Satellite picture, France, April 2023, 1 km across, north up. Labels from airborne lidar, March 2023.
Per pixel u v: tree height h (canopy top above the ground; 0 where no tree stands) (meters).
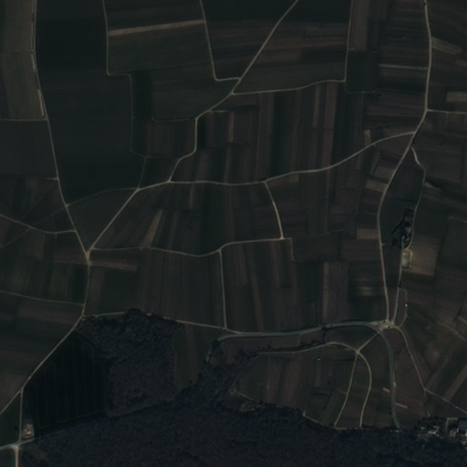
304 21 0
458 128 0
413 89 0
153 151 0
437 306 0
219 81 0
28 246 0
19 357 0
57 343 0
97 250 0
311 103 0
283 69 0
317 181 0
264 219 0
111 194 0
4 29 0
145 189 0
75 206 0
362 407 0
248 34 0
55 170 0
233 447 19
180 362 0
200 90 0
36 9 0
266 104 0
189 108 0
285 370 0
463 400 0
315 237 0
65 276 0
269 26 0
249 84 0
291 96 0
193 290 0
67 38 0
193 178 0
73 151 0
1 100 0
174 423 20
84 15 0
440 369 0
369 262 0
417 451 20
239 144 0
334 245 0
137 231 0
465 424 0
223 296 0
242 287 0
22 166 0
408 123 0
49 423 0
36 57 0
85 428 19
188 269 0
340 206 0
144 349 22
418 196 0
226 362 13
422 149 0
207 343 0
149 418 22
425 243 0
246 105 0
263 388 0
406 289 0
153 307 0
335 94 0
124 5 0
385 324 0
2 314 0
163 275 0
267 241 0
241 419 18
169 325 15
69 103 0
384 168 0
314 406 0
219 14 0
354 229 0
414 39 0
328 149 0
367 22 0
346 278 0
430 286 0
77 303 0
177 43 0
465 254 0
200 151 0
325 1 0
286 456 26
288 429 23
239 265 0
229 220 0
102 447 21
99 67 0
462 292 0
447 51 0
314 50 0
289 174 0
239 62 0
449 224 0
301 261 0
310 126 0
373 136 0
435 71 0
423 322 0
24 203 0
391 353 0
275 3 0
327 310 0
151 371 29
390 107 0
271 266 0
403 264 0
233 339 0
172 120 0
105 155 0
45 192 0
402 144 0
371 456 23
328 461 22
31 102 0
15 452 0
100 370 0
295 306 0
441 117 0
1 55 0
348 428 0
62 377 0
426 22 0
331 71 0
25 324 0
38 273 0
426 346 0
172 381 16
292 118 0
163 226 0
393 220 0
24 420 0
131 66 0
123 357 21
